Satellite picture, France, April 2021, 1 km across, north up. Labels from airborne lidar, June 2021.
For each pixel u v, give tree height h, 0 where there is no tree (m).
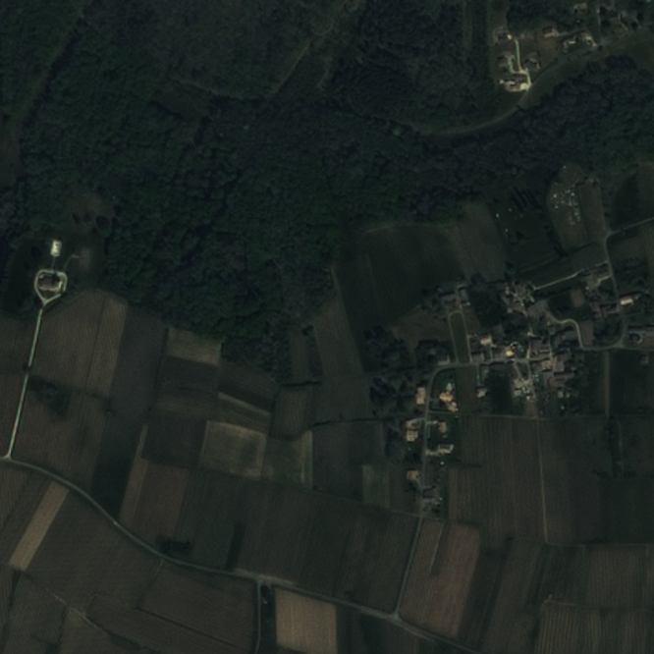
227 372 0
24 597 0
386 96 16
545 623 0
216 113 22
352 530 0
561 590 0
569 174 0
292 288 20
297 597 0
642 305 10
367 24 13
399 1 23
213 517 0
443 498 0
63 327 0
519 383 0
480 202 19
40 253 11
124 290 13
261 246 22
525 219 0
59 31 24
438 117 22
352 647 0
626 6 18
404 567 0
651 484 0
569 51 0
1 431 0
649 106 26
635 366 0
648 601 0
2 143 0
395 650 0
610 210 8
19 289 0
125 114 17
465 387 0
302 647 0
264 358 12
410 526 0
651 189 0
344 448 0
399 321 0
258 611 0
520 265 0
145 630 0
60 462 0
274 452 0
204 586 0
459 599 0
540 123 21
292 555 0
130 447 0
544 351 0
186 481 0
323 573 0
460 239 0
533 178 0
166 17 17
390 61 16
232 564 0
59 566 0
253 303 30
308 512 0
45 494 0
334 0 21
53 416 0
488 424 0
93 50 23
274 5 20
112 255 21
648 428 0
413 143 18
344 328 0
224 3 20
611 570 0
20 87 20
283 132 25
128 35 21
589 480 0
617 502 0
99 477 0
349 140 20
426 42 8
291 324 8
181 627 0
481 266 0
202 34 23
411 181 15
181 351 0
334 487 0
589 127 28
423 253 0
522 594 0
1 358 0
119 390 0
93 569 0
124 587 0
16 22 18
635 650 0
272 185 7
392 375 16
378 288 0
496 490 0
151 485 0
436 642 0
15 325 0
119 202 17
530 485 0
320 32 15
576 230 0
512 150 20
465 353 0
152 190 26
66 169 25
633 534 0
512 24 19
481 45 9
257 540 0
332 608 0
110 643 0
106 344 0
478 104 10
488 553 0
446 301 0
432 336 0
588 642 0
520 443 0
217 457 0
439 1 18
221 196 25
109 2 13
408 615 0
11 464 0
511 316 9
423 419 0
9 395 0
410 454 0
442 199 19
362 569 0
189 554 0
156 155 19
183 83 19
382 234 0
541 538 0
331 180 19
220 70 20
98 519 0
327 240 25
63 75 22
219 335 17
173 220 26
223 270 21
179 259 18
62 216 21
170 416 0
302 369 0
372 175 21
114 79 21
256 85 24
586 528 0
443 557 0
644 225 0
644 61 0
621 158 22
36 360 0
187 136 24
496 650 0
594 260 0
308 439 0
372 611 0
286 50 18
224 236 24
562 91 13
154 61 19
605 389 0
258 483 0
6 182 0
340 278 0
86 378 0
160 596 0
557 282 0
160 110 16
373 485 0
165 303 17
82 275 0
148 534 0
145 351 0
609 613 0
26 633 0
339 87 16
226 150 19
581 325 0
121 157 26
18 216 13
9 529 0
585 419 0
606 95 20
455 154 13
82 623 0
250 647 0
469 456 0
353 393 0
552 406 0
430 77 20
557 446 0
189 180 17
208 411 0
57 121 26
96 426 0
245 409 0
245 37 17
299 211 23
